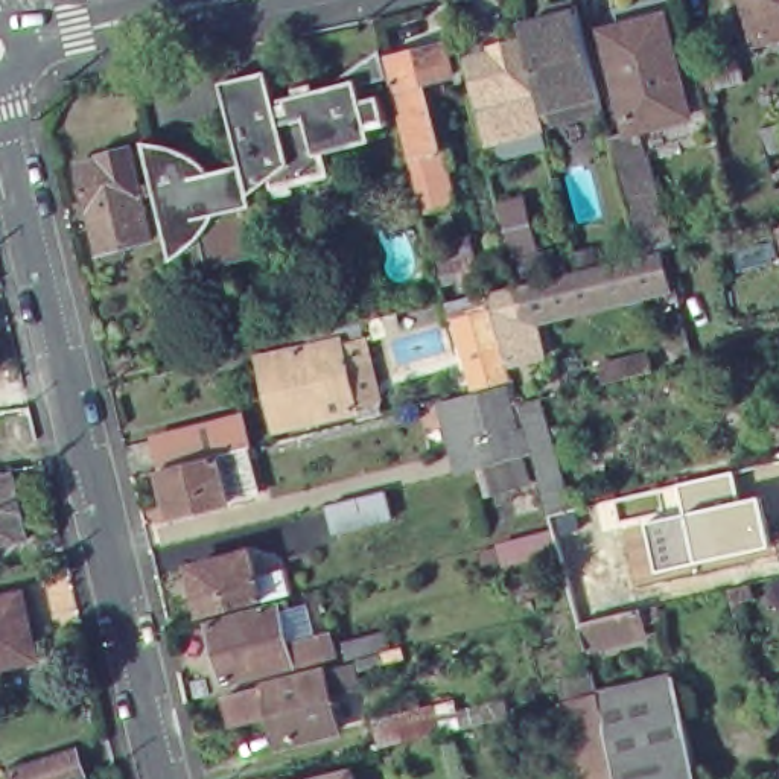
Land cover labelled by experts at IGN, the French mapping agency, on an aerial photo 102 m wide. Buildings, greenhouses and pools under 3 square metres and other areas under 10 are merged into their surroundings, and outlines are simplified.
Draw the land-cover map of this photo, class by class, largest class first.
<instances>
[{"label":"building","instance_id":"1","mask_svg":"<svg viewBox=\"0 0 779 779\"><path fill-rule=\"evenodd\" d=\"M746 43L770 52L779 49V0H736ZM429 49L399 52H368L356 64H347L341 70V79L332 85H307L289 88V94L283 97H271L265 76L259 73L234 76L219 79L222 97L225 103H234L240 113L256 116V125L243 137L237 134L231 140L228 152H237V164H225L216 170H204V164L189 152L164 143H143L140 134L131 131L103 146H94L91 158L73 155V167L76 201L82 219L94 259L134 256L137 243H146L152 237H167L170 253L161 259L180 262L189 253L192 259L243 262L237 250V225L250 216V195L268 189L274 195L286 198L292 189H298L323 183L326 180V155L356 149L365 146L368 134L380 128L377 100L359 97L353 85L356 73L365 70L377 82H386L393 91L396 137L402 155L414 192L423 198V207L429 213H435L438 207L450 204V173L444 152L438 149V140L423 94L426 85H466L469 116L478 143L496 149L505 143L536 137L542 131H560L584 126V134L590 140L606 134L599 125V94L584 58L578 18L572 12H557L551 18L523 15L514 21V33L508 40L490 43L481 46L463 58L459 70H450L447 49L438 46V33L426 37ZM593 37L612 97V116L618 125L609 137L630 222L645 256V271H630L624 277L609 280L599 268L596 243L590 250H575L572 256H566L572 262V271L563 274L548 292L533 286L508 289L517 304V316L539 329L557 320H581L612 307L642 304L657 298L666 307H676L679 295L669 289L660 265L663 250H672L669 222L657 219V192L648 164L639 137L648 134L651 149L660 152L666 146V128L682 125L694 116L688 110L682 88V79L688 76L676 58V43L669 15L660 12L630 18L624 24L596 27ZM742 82L739 70H730L715 82H703L712 103L718 91L736 88ZM764 158H773L779 152V134L773 128L758 131ZM536 222L526 219L523 201L505 198L499 201V234L502 246H514L520 253V262L536 259ZM472 271V246H459L453 259H447L438 268V283H447L453 289L463 286L466 274ZM450 326L441 329L447 347L463 353V365L456 368L459 383L450 390V399L444 402H432L423 414L420 420L429 441H438L444 447V456L450 463V475H472L484 499L490 491L536 481L543 520L545 533L481 548L478 560L487 566H517L526 563L536 551L548 548L551 542H557L551 517H560L566 508L560 502L563 478L560 463L554 459V429H548L545 414L539 402L523 405L511 399V390L505 386L508 371L499 356L490 316L478 307V301L444 304ZM365 329L347 323L332 329L329 338L310 341L304 347L256 353L253 371L259 386V405L268 432L316 426L344 417L374 420L380 414V393L371 368V353L362 338ZM691 350L685 338H672L663 347L666 365H676L682 353ZM651 350L606 353L599 362L590 365V371L603 383H609L651 368ZM119 383L149 380L158 371L146 353L134 362H113ZM30 414L27 402L0 405V417ZM143 444L152 450V459L146 463L149 478L155 490V508L164 520H173L222 508L237 493L256 502L262 490L253 475L250 438L240 414H231L222 420L158 432ZM27 542L24 511L15 496V478L0 472V551L18 554ZM679 490V502L672 505L676 517L651 514H645V539L654 566L688 560V566L694 569L764 551L770 539L761 502L739 499L736 481L730 475L672 484ZM390 508L383 496H365L332 505L326 511V526L332 533H353L371 523H386ZM173 593L183 599L186 609L195 621V630L201 624L210 630V645L204 654L213 657V666L216 672H222L228 688L234 694L219 706L222 721L228 727H240L268 724L265 746L289 749L298 742L329 739L347 721L356 718L362 706L356 694L359 676L380 663L402 660V651L393 648L380 633L335 642L329 633H313L307 609H292L286 599L265 603V593L271 590V575L253 572L250 551H231L222 557L186 563L176 572H170ZM727 603H749V581L721 584ZM40 648L37 642L30 639L24 599L21 593H15V584H0V676L6 669L30 672ZM578 642L584 654L612 657L618 651L645 648L648 633L636 612L606 615L599 621H578ZM584 721V746L578 749L581 779H694L676 682L669 676L603 688L599 703H593V697H581L572 709ZM195 697L201 700L207 694L204 682H192ZM505 718L502 703H478L472 709H456L453 703H435L411 706L377 718L371 739V749L405 746V752H411L417 739L429 733L438 724L459 730L496 724ZM5 779H82L79 752L37 761L30 767L24 762L5 767ZM310 779H353L347 770H332Z\"/></svg>","mask_w":779,"mask_h":779},{"label":"deciduous trees","instance_id":"2","mask_svg":"<svg viewBox=\"0 0 779 779\"><path fill-rule=\"evenodd\" d=\"M526 0H493L499 18L490 43L508 40L514 33V21L523 15ZM110 64L100 73L97 85H79V97L110 94L128 103L134 100L137 116H146L149 107H176L186 91L201 88L210 76L192 55V49L186 46V27L173 12H164V6H146L140 12H128L110 21ZM438 46L447 49L450 70H459L463 58L481 46L475 43V27L469 24L466 12L456 9L447 12L438 33ZM256 55L262 61L259 73L265 76L271 97H283L289 94V88L307 85L304 79L316 70V58L301 43H295L286 27H268V33L256 43ZM676 58L688 76L703 82H715L730 70L724 43L706 27L694 30L676 43ZM435 85L444 97L456 100L447 116L450 131H444L438 140V149L444 152L450 173V204L438 207L435 213H429L423 207V198L414 192L402 155L390 167V173L365 176L356 149L326 155V180L329 186L350 195L356 213L350 225L338 228L344 231L350 250L362 259V271L371 277L362 301L353 304L338 289L341 268L335 256L316 259L313 253L286 246L283 231L271 222L268 213V201L274 195L268 189L250 195V216L237 225V250L243 262L192 259L189 253L180 262L161 259H146L149 277L143 280V292L131 301L128 295H91L88 310L97 323L110 326L107 338L119 344H131V332H137V326L146 323L152 341L146 353L158 371H183L189 377L183 386L186 402L198 399L195 380L201 374H210L216 380V390H210L213 402L219 408H228L231 414H240L243 408L259 405V386L253 371L256 353L304 347L310 341L329 338L332 329L347 323L365 329L374 316L390 313L396 320H408L411 310L444 304L478 301L496 289H508L533 286L548 292L563 274L572 271V262L566 256H572L575 250L569 219H575L566 180L572 164V149L560 131H542L545 146L536 155L502 158L496 149L478 143L469 116L466 85ZM537 172L542 186L536 192L542 210L536 222V259L520 262V253L514 246H502L499 234H484V213L478 198V189L490 186L493 176L502 180V186H508L511 176ZM380 237H411L417 259L411 280H393L386 274V253L380 246ZM459 246H472V271L466 274L463 286L453 289L447 283H438V268L447 259H453ZM195 140L210 146L225 164H237V152H228L231 140L225 134V125L213 119H198L192 128ZM755 176L761 180V189L779 186V152L773 158H764L752 164ZM709 192L700 195V201L685 192V183H666L657 192V219L669 222L672 250L676 262L688 268V274H694L700 262V256L691 253L694 240L709 243L724 256V271L718 274V280L724 286L730 332L715 338V350L709 359H700L691 350L682 353L676 365H666L651 368L609 383V399H596V390L587 380H554V359L545 356L533 365V380L523 383V396L536 399L539 390L551 393L554 408L545 414L548 429H554V459L560 463L563 478L560 502L566 508L575 514H581L584 505L593 508L596 502H606L612 496L645 490L642 475L654 466H669L676 472L682 466L706 463L718 453H727L730 472L749 469L755 475V466L779 459V304H749L742 310L736 304L739 274L733 256L739 250L770 243L779 253V231L739 228L721 234L718 219L730 210V192L721 173V158L706 167ZM590 408L612 420L606 426L609 444H615L618 426L624 423L633 429V435L627 453L621 459H612L606 472L575 478L572 469H578L587 456L581 417ZM323 183L298 189L304 195V231L316 234L323 228ZM599 268L609 280L624 277L630 271H645V256L630 222H618L612 228V237L596 243ZM642 304L654 316V323L672 338H685L680 310H688V298L679 295L676 307H666L657 298ZM420 377L444 402L450 399V390L459 383L456 368ZM383 414L396 417V426L414 429L420 420L423 414L411 405V386L405 380L390 386V405L383 408ZM15 496L24 511L27 542L18 554L0 551V584H15L33 578L49 590V584L67 575V569L58 560H52L43 551L46 539L52 536V517L43 478H15ZM131 490L137 508H155V490L149 478H137ZM466 581L493 578L502 581L508 590L536 587L557 599H563V590L560 563L548 548L536 551L526 563L517 566H487L478 560L456 563ZM353 572L316 584L310 599L313 606L307 609L313 633H329L335 642L380 633L393 648L402 651V660L380 663L359 676L356 694L362 706L356 718H377L411 706L435 703L429 697V688L420 685V679L441 669V654L429 642L408 639L405 615L374 618L368 627H353ZM764 584L758 578L749 581V603H727V612L718 618L715 633L736 636L758 679L770 682L779 691V639L764 627ZM37 642L40 648L30 672L6 669L0 676V721L18 712L21 706L27 712H85L94 685L88 682L91 657L85 651V642L73 633L67 621L52 618ZM526 630L536 636L533 648H554L557 639L551 624H545L542 618H526ZM679 663H694L691 645L682 642V645H679V651H669V648H666V624H663V618H654V630L648 633L645 648L618 651L612 657L584 654L581 669L593 679L596 688H603L669 676ZM502 703L505 718L496 724L493 758L505 761V773H514L520 779H581L578 749L584 746V721L572 709L560 703L557 694L545 691H533L526 703H520L514 694H502ZM180 721L183 730H189L195 755L207 767L234 758L240 746H246L240 727H228L222 721L219 706L201 700L195 697L186 703V715H180ZM733 721L752 733L755 761H767L779 749V730L770 733L755 721L752 712H746L742 706L733 709ZM429 733L441 742L456 746L463 773L469 779H472L481 767L472 742L459 730L438 724ZM335 761L350 764L347 770L353 779H414L405 767V746L371 749V739H359L356 746L335 755Z\"/></svg>","mask_w":779,"mask_h":779},{"label":"herbaceous vegetation","instance_id":"3","mask_svg":"<svg viewBox=\"0 0 779 779\"><path fill-rule=\"evenodd\" d=\"M688 24L694 30L706 27L724 43L730 70H739L742 82L736 88L718 91L712 103L691 146H685L672 158H657L648 164L657 192L666 183H685V192L700 201V195L709 192L706 167L721 158V173L730 192V210L718 219L721 234L739 228L779 231V186L761 189V180L755 176L752 164L764 158L758 131L773 128L779 134V49L770 52L746 43L736 0H682ZM316 58V70L304 79L307 85H332L341 79V70L347 64H356L368 52H380L374 27H341L326 33L316 30L301 43ZM192 55L210 76L201 88L186 91L176 107H149L146 116H137L134 100L128 103L110 94L79 97L70 107L67 122H55L64 167H73V155L91 158L94 146H103L131 131L140 134L143 143H164L189 152L204 164V170H216L225 164L210 146L195 140L192 128L198 119H213L225 125V134L231 140L237 134L243 137L256 125V116L240 113L234 103H225L222 97L219 79L234 76V58L222 52L213 40L204 37L192 49ZM353 85L359 97L377 100L380 128L368 134L365 146L356 149L365 176L390 173V167L402 155L396 137L393 91L386 82H377L365 70L356 73ZM423 94L438 140L444 131H450L447 116L456 100L444 97L435 85H426ZM593 149L590 161L584 164L593 173L603 201V219H569L575 250H590L596 243L612 237V228L618 222H630L609 137L606 134L590 140ZM542 186L537 172L511 176L508 186H502V180L493 176L490 186L478 189V198L484 213V234H499V201L505 198L523 201L526 219L536 222L542 210L536 192ZM304 195L298 189H292L286 198L274 195L268 201V213L271 222L283 231L286 246L313 253L316 259L335 256L341 268L338 289L353 304L362 301L371 277L362 271V259L350 250L344 231L338 228H323L316 234L304 231ZM170 253L167 237H152L146 243H137L134 256L94 259L85 268L76 265L91 295H128L131 301L143 292V280L149 277L146 259H161ZM691 253L700 256V262L694 274H688V268L676 262L672 250H663L660 265L669 289L679 295L688 298V310H680L685 338L691 350L700 359H709L715 350V338L730 332L724 286L718 280V274L724 271V256L709 243L694 240ZM736 304L742 310L749 304H779V271L773 265H764L739 274ZM545 356L554 359V380H587L596 390V399H609V383H603L590 371V365L599 362L606 353L651 350V368L666 365L663 347L672 338L654 323V316L642 304L612 307L581 320H557L539 329ZM152 341L146 323L137 326V332H131V344H119V362H134L146 353ZM103 377L119 400V417L131 423V441L143 444L158 432L222 420L231 414L228 408H219L213 402L210 390H216V380L210 374H201L195 380L198 399L186 402L183 386L189 377L183 371H158L149 380L119 383L113 362H107ZM533 380V365L523 371H508L505 386L511 390V399L523 405L539 402L545 414L554 408L551 393L539 390L536 399L523 396V383ZM411 386V405L423 414L432 402H444L420 377L405 380ZM250 438L253 475L262 490L274 496L298 493L329 481L390 469L399 463H438L444 456V447L438 441H429L420 420L414 429L396 426L374 429L356 438L313 441L310 447H292L280 453H268V432L259 405L243 408L240 414ZM612 420L590 408L581 417L587 456L578 469H572L575 478L606 472L612 459H621L627 453L633 435V429L624 423L618 426L615 444H609L606 426ZM730 475V472L727 453H718L706 463L682 466L676 472L669 466H654L642 475L645 490L672 484ZM383 496L390 508L386 523H371L353 533H332L335 545L329 551H307V560L298 563V575L304 578L301 596L310 599L316 584L353 572V627H368L374 618L405 615L408 639L429 642L441 654V669L420 679V685L429 688V697L435 703H453L456 709H472L478 703H502V694H514L520 703H526L533 691H545L557 694L560 703L572 709L581 697H593V703H599L603 688H596L593 679L581 669L584 654L578 642V621L572 593L563 590V599H557L536 587L508 590L502 581L493 578L466 581L456 563L478 560L481 548L545 533L543 520L533 511L517 514L514 508H496L490 499H484L472 475H450L414 484H390ZM526 618H542L545 624H551L557 639L554 648H533L536 636L526 630ZM764 584V627L779 639V572L758 578ZM672 609H676V615H679V630H682V642L691 645L694 663H679L669 676L676 682L694 779H779V749L767 761H755L752 733L733 721V709L742 706L746 712H752L755 721L770 733L779 730V691L770 682L758 679L736 636L715 633L718 618L727 612V603L721 584L685 596H669ZM107 733L103 718L94 721V715L85 712H27L21 706L18 712L0 721V779H5V767L24 762L30 767L37 761L79 752L82 739L94 742ZM377 718H356L347 721L329 739L298 742L289 749L265 746L268 724L240 727L246 746H240L234 758L207 767L213 779H310L332 770H347L350 764L335 761V755L356 746L359 739H371ZM496 724L459 730L472 742L481 767L472 779H520L514 773H505V761L493 758ZM405 767L414 779H469L463 773L456 746L441 742L429 733L417 739L411 752H405Z\"/></svg>","mask_w":779,"mask_h":779},{"label":"impervious surface","instance_id":"4","mask_svg":"<svg viewBox=\"0 0 779 779\"><path fill-rule=\"evenodd\" d=\"M426 0H0V405L27 402L30 414L37 432V453L43 456V478L52 517V536L46 539L43 551L52 560H58L67 569V575L49 584V590L33 578L15 584V593H21L24 599L30 639L37 642L52 618L67 621L73 633L85 642V651L91 657L88 682L94 685L85 712L94 715V721L103 718L107 733L94 742L82 739L79 752L82 779H213L207 767L195 755L189 730H183L180 721V715H186V703L195 697L192 682V669H198L213 679V691L228 688L222 672H216L213 666V657L204 654L210 645V630L201 624L195 630L183 654H167L164 627L173 615L186 609L183 599L173 593L170 572H176L186 563L222 557L231 551H250L253 572L271 575V590L265 593V603L286 599L292 609H307L313 606L310 599L301 596L304 578L298 575V563L307 560V551H329L335 545L332 533L326 526V511L332 505L365 496H383L390 484H414L450 475V463L444 456L438 463H399L390 469L329 481L298 493L274 496L262 490L256 502L237 493L222 508L173 520H164L155 508H137L131 490L137 478H149L146 463L152 459V450L143 444L131 441V423L119 417V400L103 377L107 362L91 338V323H97L88 310L91 295L76 265L70 222L82 219L76 201L58 207L55 173L43 143V113L46 103L64 85H97L100 73L110 64V21L128 12H140L146 6H164V12H173L186 27V46L192 49L204 37L213 40L222 52L234 58V76L259 73L262 61L256 55V43L268 33V27H286L295 43H301L316 30L326 33L341 27H374L377 9L396 12L402 6ZM438 9L429 15L426 30L405 33L399 52L429 49L426 37L438 33L447 12L456 9L466 12L469 24L475 27V43L481 46L490 43L499 18L493 0H435ZM557 12H572L578 18L584 58L599 94V125L606 134L609 137L618 125L612 116V97L593 37L596 27L624 24L630 18L660 12L669 15L666 0H526L523 15L551 18ZM572 149V164H584L590 161L593 149L590 140L584 134V126L560 131ZM545 146L542 131L536 137L505 143L496 149L502 158L536 155ZM478 307L490 316L499 356L508 371H523L533 365L545 356L539 329L517 316V304L508 289H496L478 301ZM423 326L441 329L450 326L444 304L411 310L408 320H396L390 313L374 316L365 329L362 338L371 353V368L380 393V414L374 420L344 417L316 426L268 432V453H280L292 447H310L313 441L356 438L374 429L396 426V417L383 414V408L390 405V386L405 380L420 377L456 368L463 365V353L447 347L435 356H420L386 371L383 350L402 332H417ZM730 475L736 481L739 499L761 502L770 539L764 551L694 569L688 566V560L654 566L645 539V514L624 520L618 517V505H627L633 499H660L651 514L676 517L672 505L679 502V490L672 484L645 490L612 496L606 502H596L593 508V520L599 523V529H618L624 536L621 554L630 557L633 578L639 584H648L657 596H685L721 584L749 581L758 578L779 572V459L755 466V475L749 469L730 472Z\"/></svg>","mask_w":779,"mask_h":779},{"label":"pervious surface","instance_id":"5","mask_svg":"<svg viewBox=\"0 0 779 779\"><path fill-rule=\"evenodd\" d=\"M682 88L688 110L694 116L682 125L666 128V146L660 152L651 149L648 134L639 137L648 164L657 158H672L685 146H691L712 103L703 82L688 76L682 79ZM323 228H338L350 225L356 213L350 195L329 186L326 180L323 183ZM0 472L15 478H43V456L37 453V432L30 414L0 417ZM484 499H490L496 508H514L517 514L533 511L543 520L536 481L490 491ZM557 542H551L548 548L560 563L563 590L572 593L578 621H599L606 615L636 612L648 633L654 630V618H660L663 612H669V609H672L669 596H657L648 584H639L633 578L630 557L621 554L624 536L618 529H599V523L593 520V508L584 505L581 514H575L566 508L560 517H551ZM192 682H204L207 694L201 700L219 706L234 694L228 688L213 691V679L198 669H192Z\"/></svg>","mask_w":779,"mask_h":779},{"label":"brushwood","instance_id":"6","mask_svg":"<svg viewBox=\"0 0 779 779\"><path fill-rule=\"evenodd\" d=\"M438 9L435 0H426L402 6L396 12L377 9L374 27L380 52H399L405 33L426 30L429 15ZM669 15L676 43L694 30L688 24L682 0H666ZM79 97V85H64L46 103L43 113V143L55 173L58 207L76 201L73 167H64L55 122H67L70 107ZM76 265L85 268L94 259L82 219L70 222ZM110 326L97 323H91V338L107 362H119V344L107 338ZM195 630V621L186 609L173 615L164 627L167 654H183ZM660 618H663V624H666V648H669V651H679V645H682V630H679V615H676V609H669V612H663Z\"/></svg>","mask_w":779,"mask_h":779},{"label":"swimming pool","instance_id":"7","mask_svg":"<svg viewBox=\"0 0 779 779\"><path fill-rule=\"evenodd\" d=\"M566 180L575 219H603V201L593 173L584 164H572ZM380 246L386 253V274L393 280H411L417 259L411 237H380ZM739 274L764 265H773L779 271V253L770 243L739 250L733 256ZM447 347L441 329L423 326L417 332H402L383 350L386 371L420 356H435ZM660 499H633L627 505H618V517L624 520L645 514H651Z\"/></svg>","mask_w":779,"mask_h":779}]
</instances>
